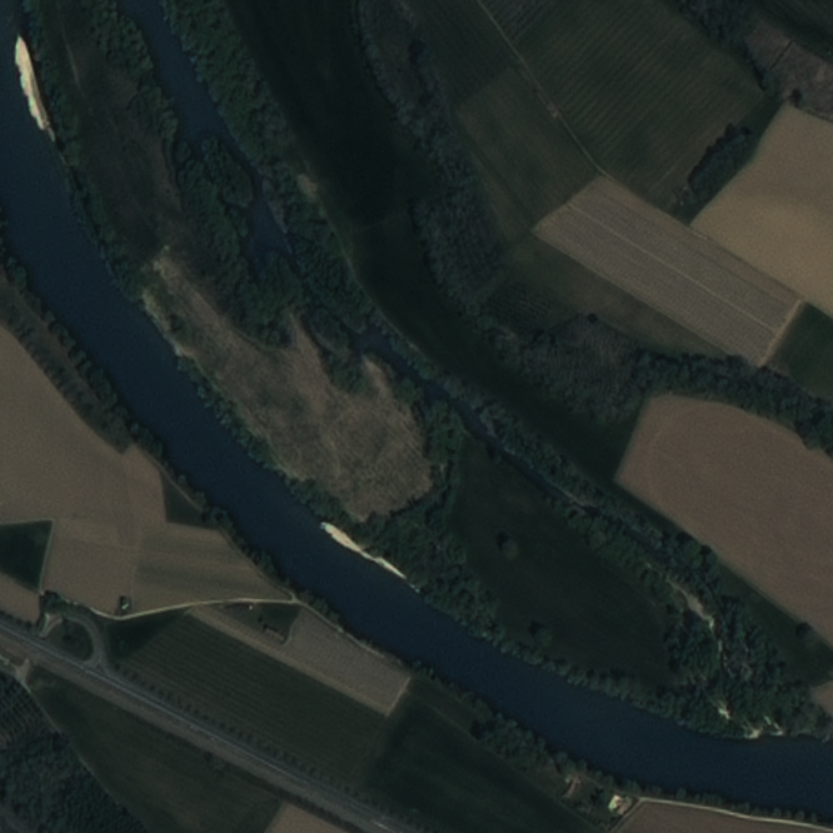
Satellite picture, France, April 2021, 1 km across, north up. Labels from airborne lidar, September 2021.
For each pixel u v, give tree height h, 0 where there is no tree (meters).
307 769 9
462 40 6
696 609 0
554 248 0
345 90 0
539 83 0
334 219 0
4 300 8
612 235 0
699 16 34
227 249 14
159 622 0
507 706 0
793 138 0
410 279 0
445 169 8
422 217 21
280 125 23
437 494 10
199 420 0
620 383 22
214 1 21
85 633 0
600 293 0
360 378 11
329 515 14
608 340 20
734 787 0
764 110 0
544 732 0
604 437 0
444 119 26
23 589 0
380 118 0
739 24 25
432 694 0
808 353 0
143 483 0
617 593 0
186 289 0
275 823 0
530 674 0
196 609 0
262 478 0
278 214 7
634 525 13
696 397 26
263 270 14
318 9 0
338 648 0
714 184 18
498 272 18
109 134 0
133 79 8
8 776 10
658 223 0
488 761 0
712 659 31
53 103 20
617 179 0
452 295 30
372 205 0
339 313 7
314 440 0
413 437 0
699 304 0
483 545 0
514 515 0
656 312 0
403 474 0
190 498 6
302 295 12
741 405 34
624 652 0
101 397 31
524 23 11
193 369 19
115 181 0
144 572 0
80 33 0
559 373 25
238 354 0
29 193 0
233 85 16
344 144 0
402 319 0
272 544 0
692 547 22
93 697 0
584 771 25
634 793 20
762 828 0
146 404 0
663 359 6
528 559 0
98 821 34
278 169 20
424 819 0
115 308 0
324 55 0
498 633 21
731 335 0
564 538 0
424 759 0
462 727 0
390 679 0
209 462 0
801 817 22
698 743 0
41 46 23
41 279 0
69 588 0
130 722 11
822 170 0
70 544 0
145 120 7
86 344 0
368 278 0
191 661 5
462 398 9
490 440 0
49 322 11
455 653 0
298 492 17
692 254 0
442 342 0
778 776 0
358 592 0
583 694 0
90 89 0
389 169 0
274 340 17
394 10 8
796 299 0
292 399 0
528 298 13
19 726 19
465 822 0
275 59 0
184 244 0
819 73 0
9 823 7
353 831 15
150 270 0
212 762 16
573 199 0
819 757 0
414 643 0
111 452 0
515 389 0
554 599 0
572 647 0
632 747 0
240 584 0
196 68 13
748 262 0
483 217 24
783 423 27
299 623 0
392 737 0
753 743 0
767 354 0
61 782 24
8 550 0
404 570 22
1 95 0
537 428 0
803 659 0
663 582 13
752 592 0
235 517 0
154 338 0
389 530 15
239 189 6
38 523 0
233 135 13
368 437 0
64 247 0
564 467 11
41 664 0
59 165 8
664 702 20
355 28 10
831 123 0
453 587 15
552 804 0
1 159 0
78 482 0
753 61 26
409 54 0
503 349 25
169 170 8
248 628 0
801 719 21
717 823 0
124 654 0
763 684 15
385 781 0
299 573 0
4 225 9
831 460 22
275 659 6
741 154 25
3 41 0
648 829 0
